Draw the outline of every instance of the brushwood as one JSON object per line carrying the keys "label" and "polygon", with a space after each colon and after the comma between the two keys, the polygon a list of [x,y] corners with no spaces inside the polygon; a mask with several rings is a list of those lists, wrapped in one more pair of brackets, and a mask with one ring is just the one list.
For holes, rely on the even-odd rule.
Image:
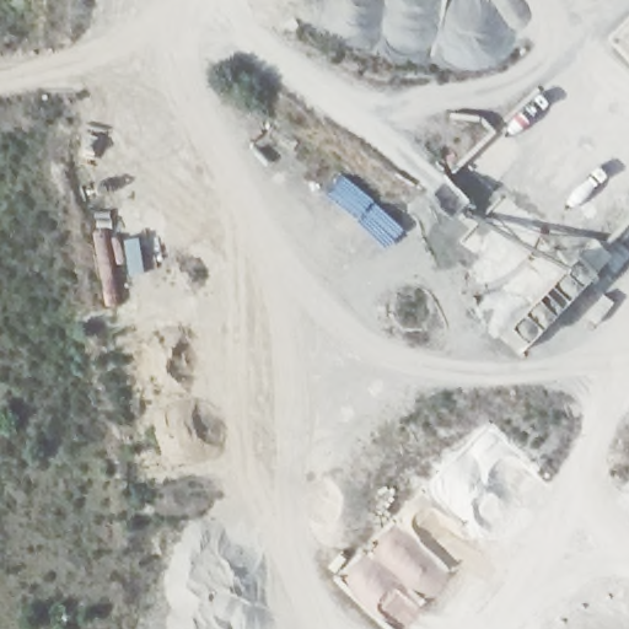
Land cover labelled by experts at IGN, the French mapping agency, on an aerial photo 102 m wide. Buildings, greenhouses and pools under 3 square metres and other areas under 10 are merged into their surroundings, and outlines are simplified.
{"label": "brushwood", "polygon": [[25,629],[79,629],[86,622],[108,617],[111,602],[79,607],[76,597],[52,595],[49,600],[34,602],[32,612],[22,612]]}
{"label": "brushwood", "polygon": [[236,54],[209,69],[209,86],[216,93],[221,93],[224,103],[233,108],[256,111],[260,115],[273,118],[278,88],[283,86],[280,76],[251,54]]}

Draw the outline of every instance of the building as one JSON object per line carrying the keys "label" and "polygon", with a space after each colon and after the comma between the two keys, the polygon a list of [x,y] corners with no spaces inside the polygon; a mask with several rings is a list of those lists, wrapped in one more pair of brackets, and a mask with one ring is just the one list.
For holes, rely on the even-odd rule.
{"label": "building", "polygon": [[459,587],[452,580],[459,575],[459,565],[447,568],[420,541],[420,536],[413,528],[403,533],[400,528],[396,528],[391,531],[391,545],[378,545],[369,553],[356,550],[346,568],[346,580],[334,577],[337,587],[344,590],[354,602],[359,602],[364,612],[383,629],[408,629],[423,614],[437,614],[450,600],[457,597]]}

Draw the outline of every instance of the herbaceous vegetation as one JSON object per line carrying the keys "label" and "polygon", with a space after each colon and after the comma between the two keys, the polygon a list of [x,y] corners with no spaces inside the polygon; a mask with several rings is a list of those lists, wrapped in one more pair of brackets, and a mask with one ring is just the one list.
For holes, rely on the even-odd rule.
{"label": "herbaceous vegetation", "polygon": [[405,285],[398,292],[398,317],[403,324],[423,322],[428,317],[425,292],[423,287]]}
{"label": "herbaceous vegetation", "polygon": [[115,464],[106,452],[106,435],[111,425],[133,425],[138,418],[145,415],[147,400],[133,391],[135,381],[125,373],[130,354],[118,349],[108,354],[88,354],[81,344],[86,337],[86,322],[76,319],[76,310],[81,307],[81,290],[74,270],[66,229],[69,206],[59,204],[59,197],[49,182],[49,165],[66,167],[69,160],[79,160],[81,145],[76,140],[69,140],[66,135],[59,135],[57,123],[79,123],[79,115],[74,115],[74,111],[76,103],[88,98],[88,88],[52,93],[49,88],[37,88],[0,96],[0,629],[25,629],[22,612],[32,612],[34,602],[49,600],[52,595],[76,597],[79,607],[111,602],[108,617],[86,622],[79,629],[138,629],[140,617],[147,617],[147,612],[152,609],[145,595],[162,585],[162,575],[167,568],[162,558],[152,553],[150,536],[162,526],[184,531],[189,518],[174,514],[145,516],[145,506],[157,499],[157,489],[152,479],[140,479],[135,455],[147,450],[162,450],[155,428],[147,428],[140,442],[135,445],[120,445],[120,462]]}
{"label": "herbaceous vegetation", "polygon": [[12,5],[12,0],[0,0],[0,57],[17,52],[22,47],[22,39],[29,37],[29,32],[34,29],[32,25],[27,25],[27,17],[20,12],[20,7]]}

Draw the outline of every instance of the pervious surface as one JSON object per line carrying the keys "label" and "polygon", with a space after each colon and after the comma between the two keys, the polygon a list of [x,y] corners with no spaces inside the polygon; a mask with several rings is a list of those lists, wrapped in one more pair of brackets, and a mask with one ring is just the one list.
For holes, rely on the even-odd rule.
{"label": "pervious surface", "polygon": [[[69,206],[66,229],[74,270],[81,290],[81,307],[76,310],[76,319],[86,322],[86,337],[81,344],[88,354],[108,354],[118,349],[130,354],[125,373],[135,381],[133,391],[147,400],[145,415],[138,418],[133,425],[111,425],[106,435],[106,452],[115,464],[120,462],[120,445],[135,445],[140,442],[147,428],[155,428],[162,450],[147,450],[135,455],[140,479],[152,479],[157,489],[157,499],[145,506],[145,516],[174,514],[189,518],[184,531],[162,526],[150,536],[152,553],[162,558],[167,568],[162,575],[162,585],[145,595],[152,609],[147,612],[147,617],[140,617],[138,629],[383,629],[364,612],[359,602],[354,602],[344,590],[337,587],[334,577],[346,580],[346,568],[356,550],[369,553],[378,545],[391,545],[391,531],[396,528],[400,528],[403,533],[413,528],[420,536],[420,541],[447,568],[459,565],[459,575],[452,580],[459,587],[457,597],[450,600],[437,614],[423,614],[408,629],[629,629],[629,0],[12,0],[12,5],[20,7],[20,12],[27,17],[27,25],[32,25],[34,29],[29,32],[29,37],[22,39],[22,47],[17,52],[0,57],[0,96],[37,88],[49,88],[52,93],[88,88],[88,98],[76,103],[74,111],[74,115],[79,115],[79,123],[57,123],[59,135],[66,135],[69,140],[76,140],[81,145],[79,160],[69,160],[66,167],[49,165],[49,182],[59,197],[59,204]],[[221,93],[216,93],[209,86],[209,69],[236,54],[251,54],[280,76],[283,86],[278,88],[273,118],[260,115],[256,111],[233,108],[224,103]],[[425,292],[428,317],[423,322],[403,324],[398,317],[398,292],[405,285],[423,287]]]}

